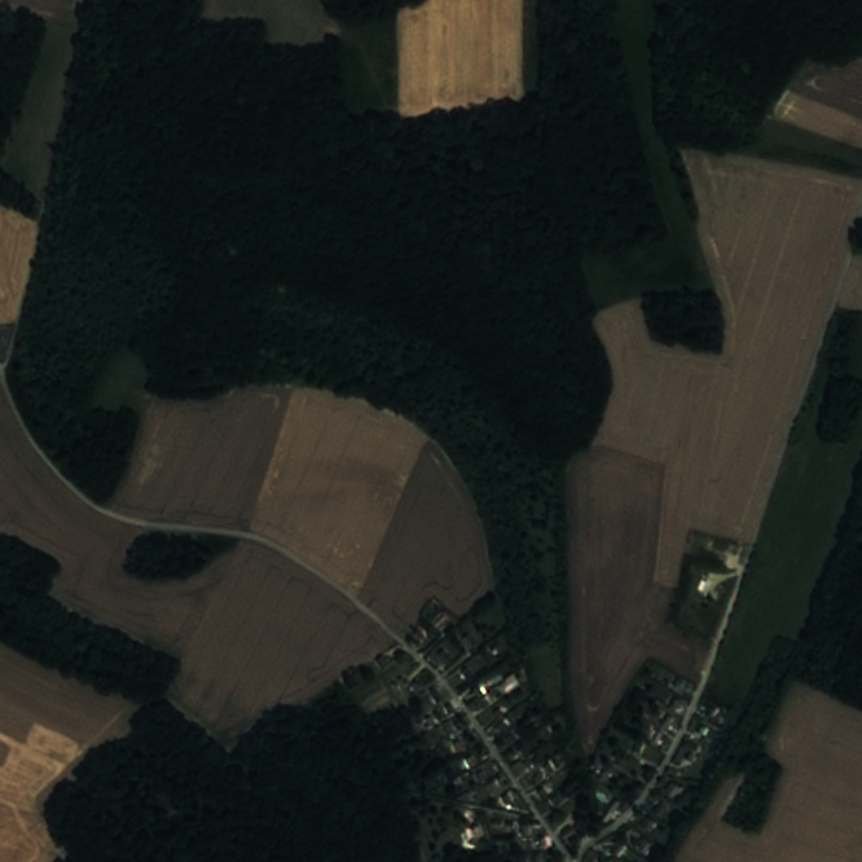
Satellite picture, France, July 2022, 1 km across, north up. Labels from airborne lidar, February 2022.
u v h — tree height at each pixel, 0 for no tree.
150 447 0
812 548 0
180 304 21
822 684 14
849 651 20
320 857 23
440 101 0
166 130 23
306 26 0
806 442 0
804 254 0
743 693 0
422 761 18
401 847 23
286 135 30
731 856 0
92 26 22
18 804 0
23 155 0
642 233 27
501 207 13
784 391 0
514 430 14
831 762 0
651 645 0
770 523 0
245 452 0
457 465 7
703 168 0
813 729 0
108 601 0
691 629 0
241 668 0
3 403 0
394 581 0
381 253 21
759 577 0
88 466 24
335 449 0
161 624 0
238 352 22
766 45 23
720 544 0
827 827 0
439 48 0
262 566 0
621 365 0
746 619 0
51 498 0
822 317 0
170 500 0
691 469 0
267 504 0
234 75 26
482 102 0
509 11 0
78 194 17
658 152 0
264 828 24
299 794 22
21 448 0
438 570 0
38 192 0
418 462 0
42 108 0
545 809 0
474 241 26
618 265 0
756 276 0
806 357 0
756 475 0
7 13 24
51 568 21
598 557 0
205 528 0
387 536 0
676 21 19
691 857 0
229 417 0
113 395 0
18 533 0
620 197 26
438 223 24
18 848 0
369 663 0
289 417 0
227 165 25
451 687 0
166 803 0
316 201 24
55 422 16
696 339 20
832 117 0
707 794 8
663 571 0
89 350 11
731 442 0
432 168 10
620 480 0
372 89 0
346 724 24
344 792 27
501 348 26
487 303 21
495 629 6
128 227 9
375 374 15
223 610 0
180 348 19
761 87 21
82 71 21
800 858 0
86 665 16
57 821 18
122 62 20
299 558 0
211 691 0
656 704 7
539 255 28
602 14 22
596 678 0
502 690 0
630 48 0
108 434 16
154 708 15
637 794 15
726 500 0
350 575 0
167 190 24
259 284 25
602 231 25
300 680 0
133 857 15
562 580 9
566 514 12
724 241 0
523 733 12
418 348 20
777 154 0
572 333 23
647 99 0
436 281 26
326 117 27
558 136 27
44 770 0
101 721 0
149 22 24
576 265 17
